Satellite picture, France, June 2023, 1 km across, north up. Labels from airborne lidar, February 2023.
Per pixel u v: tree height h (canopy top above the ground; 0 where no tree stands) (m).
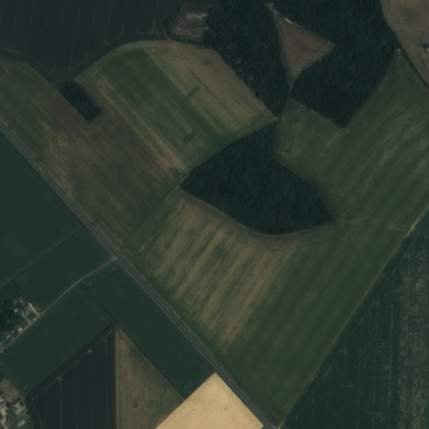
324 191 0
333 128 0
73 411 0
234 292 0
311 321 0
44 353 0
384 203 0
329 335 0
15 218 0
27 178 0
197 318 0
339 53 16
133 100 0
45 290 0
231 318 0
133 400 0
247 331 0
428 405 0
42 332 0
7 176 0
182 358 0
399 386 0
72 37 0
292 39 0
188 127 0
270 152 15
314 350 0
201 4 0
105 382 0
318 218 15
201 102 0
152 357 0
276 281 0
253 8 25
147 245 0
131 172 0
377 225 0
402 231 0
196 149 0
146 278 0
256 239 0
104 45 0
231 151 16
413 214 0
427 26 0
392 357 0
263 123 0
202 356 0
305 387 0
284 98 9
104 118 0
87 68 0
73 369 0
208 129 0
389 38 19
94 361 0
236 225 0
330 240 0
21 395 0
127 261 0
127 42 0
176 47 0
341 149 0
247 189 19
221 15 22
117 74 0
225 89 0
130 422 0
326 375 0
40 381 0
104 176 0
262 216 23
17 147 0
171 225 0
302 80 15
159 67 0
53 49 0
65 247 0
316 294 0
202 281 0
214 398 0
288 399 0
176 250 0
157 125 0
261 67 23
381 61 19
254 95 0
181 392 0
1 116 0
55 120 0
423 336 0
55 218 0
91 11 0
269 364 0
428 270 0
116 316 0
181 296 0
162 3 0
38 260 0
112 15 0
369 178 0
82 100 14
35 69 0
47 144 0
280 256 0
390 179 0
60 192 0
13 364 0
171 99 0
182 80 0
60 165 0
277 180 18
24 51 0
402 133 0
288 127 0
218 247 0
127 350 0
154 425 0
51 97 0
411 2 0
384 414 0
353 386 0
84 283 0
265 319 0
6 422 0
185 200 0
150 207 0
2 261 0
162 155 0
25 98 0
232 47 22
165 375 0
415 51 0
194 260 0
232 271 0
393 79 0
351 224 0
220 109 0
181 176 0
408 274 0
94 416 0
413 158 0
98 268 0
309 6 23
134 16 0
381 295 0
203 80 0
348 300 0
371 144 0
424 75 0
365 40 24
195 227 0
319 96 19
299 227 13
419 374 0
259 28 19
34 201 0
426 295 0
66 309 0
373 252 0
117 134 0
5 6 0
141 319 0
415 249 0
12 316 13
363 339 0
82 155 0
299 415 0
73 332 0
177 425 0
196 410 0
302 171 0
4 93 0
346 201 0
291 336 0
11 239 0
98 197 0
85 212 0
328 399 0
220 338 0
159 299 0
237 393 0
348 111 13
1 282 0
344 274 0
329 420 0
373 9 18
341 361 0
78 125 0
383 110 0
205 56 0
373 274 0
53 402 0
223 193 21
